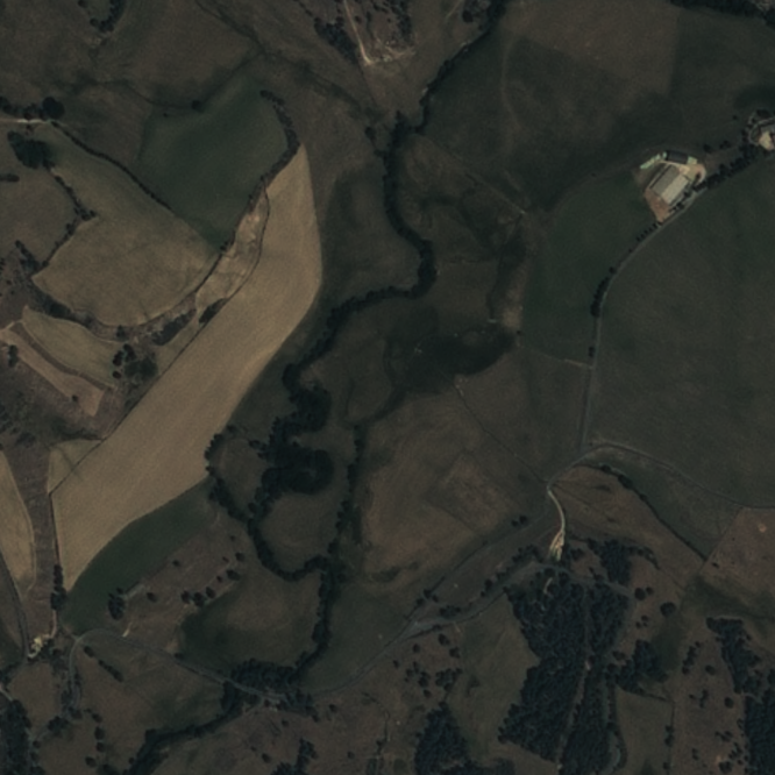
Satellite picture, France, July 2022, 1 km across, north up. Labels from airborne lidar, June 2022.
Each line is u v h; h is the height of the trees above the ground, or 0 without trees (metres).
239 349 0
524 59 0
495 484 0
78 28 0
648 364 0
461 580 0
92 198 0
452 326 0
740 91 0
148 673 0
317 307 0
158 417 0
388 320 0
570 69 0
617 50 0
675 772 0
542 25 0
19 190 0
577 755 17
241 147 0
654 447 0
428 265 10
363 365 0
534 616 21
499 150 0
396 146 11
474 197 0
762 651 0
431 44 0
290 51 0
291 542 0
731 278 0
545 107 0
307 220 0
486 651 0
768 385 0
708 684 0
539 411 0
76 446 0
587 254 0
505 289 0
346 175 0
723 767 14
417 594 0
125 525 0
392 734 0
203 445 0
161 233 0
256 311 0
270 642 0
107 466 0
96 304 0
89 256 0
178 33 0
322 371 0
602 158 0
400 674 0
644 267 0
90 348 0
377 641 0
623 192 0
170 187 0
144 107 0
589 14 0
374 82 0
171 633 0
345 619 0
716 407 0
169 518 0
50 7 0
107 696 0
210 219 0
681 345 0
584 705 12
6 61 0
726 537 0
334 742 0
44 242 0
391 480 0
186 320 0
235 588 0
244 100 0
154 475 0
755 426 0
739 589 0
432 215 0
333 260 0
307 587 0
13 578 0
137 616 0
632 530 0
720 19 0
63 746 0
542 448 0
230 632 0
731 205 0
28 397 0
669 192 0
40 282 0
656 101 0
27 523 0
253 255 0
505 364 0
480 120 0
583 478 0
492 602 0
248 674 19
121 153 0
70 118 0
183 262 0
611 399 0
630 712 0
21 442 0
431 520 0
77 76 0
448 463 0
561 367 0
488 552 0
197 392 0
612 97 0
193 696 0
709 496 0
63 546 0
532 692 15
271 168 0
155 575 0
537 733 8
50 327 0
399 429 0
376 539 0
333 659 0
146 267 0
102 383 0
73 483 0
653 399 0
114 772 8
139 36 0
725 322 0
